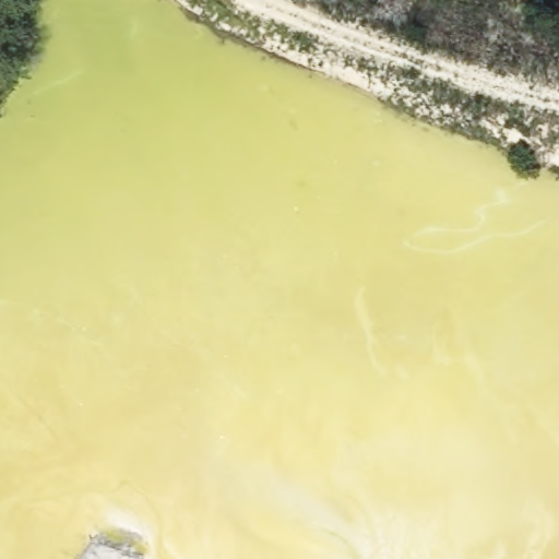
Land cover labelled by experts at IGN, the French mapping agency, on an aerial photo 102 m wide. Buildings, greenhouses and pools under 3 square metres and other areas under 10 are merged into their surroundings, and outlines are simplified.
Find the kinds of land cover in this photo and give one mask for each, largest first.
<instances>
[{"label":"water","instance_id":"1","mask_svg":"<svg viewBox=\"0 0 559 559\"><path fill-rule=\"evenodd\" d=\"M190 11L175 0H41L37 26L41 31L44 50L41 55L28 61V76L17 81V85L0 107V559H81L90 548L92 535H105L114 528L107 522V513L111 509H118L122 515L151 528L153 535L144 542V559H559V146H555V153L546 155L539 162L537 177H520L511 168L507 157L496 146L443 131L439 124L424 122V118L389 105L376 94H369L352 83L328 76L323 72L304 68L264 48L251 50L231 41L216 39V35L207 26L190 22Z\"/></svg>","mask_w":559,"mask_h":559},{"label":"herbaceous vegetation","instance_id":"2","mask_svg":"<svg viewBox=\"0 0 559 559\"><path fill-rule=\"evenodd\" d=\"M190 11V22L207 26L216 35V39L231 41L251 50L264 48L266 39L280 35L284 44L290 46V50L308 52L314 50L319 39L310 33L293 31L282 22L262 20L249 11H236V4L231 0H175ZM314 7L330 20L354 22L365 28L382 31L391 39L411 44L421 52H439L452 61L487 68L498 76H524L528 87L546 85L559 90V48L550 46L546 37L533 39V35L526 31L524 0H314ZM411 92H432L435 105L461 107L463 111H469L474 116L469 120V127L452 122L443 131L496 146L507 157L511 144L507 138H493L485 127H480L483 118L498 114L507 116L509 129L520 131V142H526L535 151L539 162L546 155L555 153V146H559V114L550 109H537L518 100L507 103L485 94H469L443 79H424L419 85H413Z\"/></svg>","mask_w":559,"mask_h":559},{"label":"pervious surface","instance_id":"3","mask_svg":"<svg viewBox=\"0 0 559 559\"><path fill-rule=\"evenodd\" d=\"M236 4V11H249L262 20L282 22L293 31L310 33L319 39L347 48L349 55L373 57L378 59V63L402 66V79H415L419 72L428 79H443L469 94H485L507 103L518 100L537 109H550L559 114V90L546 85L528 87L524 76H498L487 68L452 61L439 52H421L411 44L391 39L382 31L365 28L354 22L330 20L314 7V0H231ZM107 522L114 528L105 535H92L90 548L81 559H144V542L153 535L151 528L122 515L118 509H111L107 513Z\"/></svg>","mask_w":559,"mask_h":559},{"label":"bare soil","instance_id":"4","mask_svg":"<svg viewBox=\"0 0 559 559\"><path fill-rule=\"evenodd\" d=\"M264 48L304 68L323 72L328 76L352 83L369 94H376L389 105L424 118V122L439 124L443 131L452 122L469 127V120L474 116L469 111H463L461 107L435 105L432 92H411L413 85H419L424 79H428L419 72L415 79H402V66L378 63V59L373 57L349 55L347 48L319 39L314 50L308 52L290 50V46L284 44L280 35L266 39ZM480 127H485L493 138H507L511 144L520 142V131L509 129L507 116L498 114L483 118Z\"/></svg>","mask_w":559,"mask_h":559},{"label":"coniferous trees","instance_id":"5","mask_svg":"<svg viewBox=\"0 0 559 559\"><path fill-rule=\"evenodd\" d=\"M41 0H0V107L17 85V81L28 76V61L41 55L44 50L41 31L37 26ZM526 31L533 35V39L546 37L550 46L559 48V0H524Z\"/></svg>","mask_w":559,"mask_h":559},{"label":"brushwood","instance_id":"6","mask_svg":"<svg viewBox=\"0 0 559 559\"><path fill-rule=\"evenodd\" d=\"M511 168L520 177H537L539 162L535 151L526 142H520L511 144L507 157Z\"/></svg>","mask_w":559,"mask_h":559}]
</instances>
